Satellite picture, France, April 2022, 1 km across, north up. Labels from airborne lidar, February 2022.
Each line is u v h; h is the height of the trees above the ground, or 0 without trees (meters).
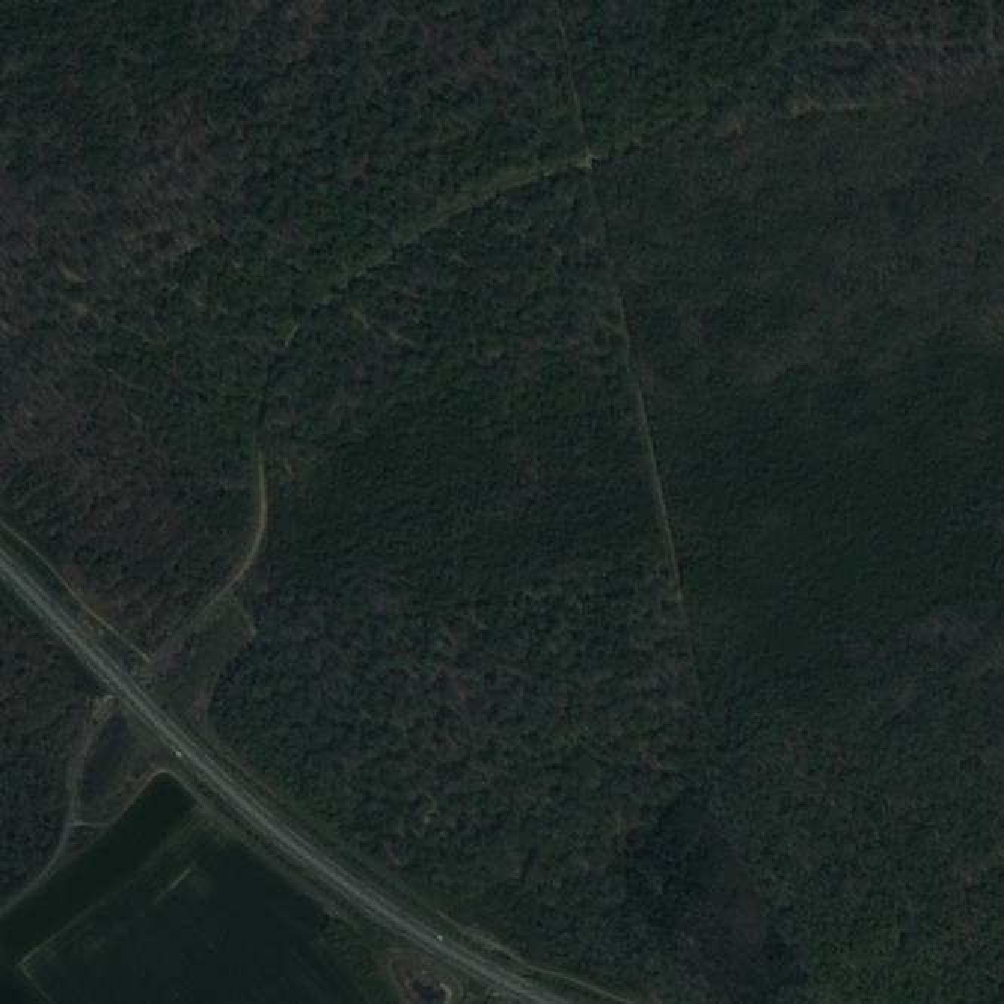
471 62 28
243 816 0
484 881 23
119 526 11
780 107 20
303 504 10
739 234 16
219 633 0
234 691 23
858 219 0
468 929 0
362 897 0
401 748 28
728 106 18
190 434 23
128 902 0
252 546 0
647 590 21
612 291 24
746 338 0
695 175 16
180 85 12
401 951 0
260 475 0
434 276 26
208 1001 0
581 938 22
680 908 7
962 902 21
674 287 0
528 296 27
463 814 25
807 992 24
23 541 0
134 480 12
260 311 24
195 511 15
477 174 8
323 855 0
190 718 0
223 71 12
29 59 22
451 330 25
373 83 26
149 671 0
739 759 19
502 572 21
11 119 23
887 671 19
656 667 23
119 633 0
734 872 0
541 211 24
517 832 21
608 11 29
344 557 10
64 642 0
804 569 13
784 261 0
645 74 22
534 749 27
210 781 0
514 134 28
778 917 24
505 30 27
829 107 27
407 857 21
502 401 27
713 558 11
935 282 0
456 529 25
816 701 17
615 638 24
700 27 12
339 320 24
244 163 28
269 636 25
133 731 0
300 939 0
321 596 10
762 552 10
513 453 20
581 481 10
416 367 28
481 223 21
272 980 0
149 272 29
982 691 17
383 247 19
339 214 18
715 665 12
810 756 22
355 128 23
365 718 27
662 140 13
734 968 0
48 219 26
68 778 0
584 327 28
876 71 26
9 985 0
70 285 26
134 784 0
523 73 29
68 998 0
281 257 25
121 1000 0
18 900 0
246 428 22
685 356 0
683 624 22
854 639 16
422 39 23
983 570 13
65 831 0
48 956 0
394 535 22
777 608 17
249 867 0
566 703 27
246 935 0
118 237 26
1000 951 23
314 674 26
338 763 24
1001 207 14
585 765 26
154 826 0
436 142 29
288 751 18
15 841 14
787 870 16
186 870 0
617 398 20
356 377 25
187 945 0
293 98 26
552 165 18
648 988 21
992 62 23
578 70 22
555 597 23
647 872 11
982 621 17
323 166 26
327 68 26
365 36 29
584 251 29
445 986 0
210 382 25
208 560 8
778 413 10
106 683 0
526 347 26
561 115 26
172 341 26
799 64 21
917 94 22
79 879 0
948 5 6
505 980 0
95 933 0
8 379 24
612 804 27
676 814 10
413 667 23
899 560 19
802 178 14
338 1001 0
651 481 16
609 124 24
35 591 0
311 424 23
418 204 22
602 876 22
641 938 15
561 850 26
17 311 11
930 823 17
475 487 15
